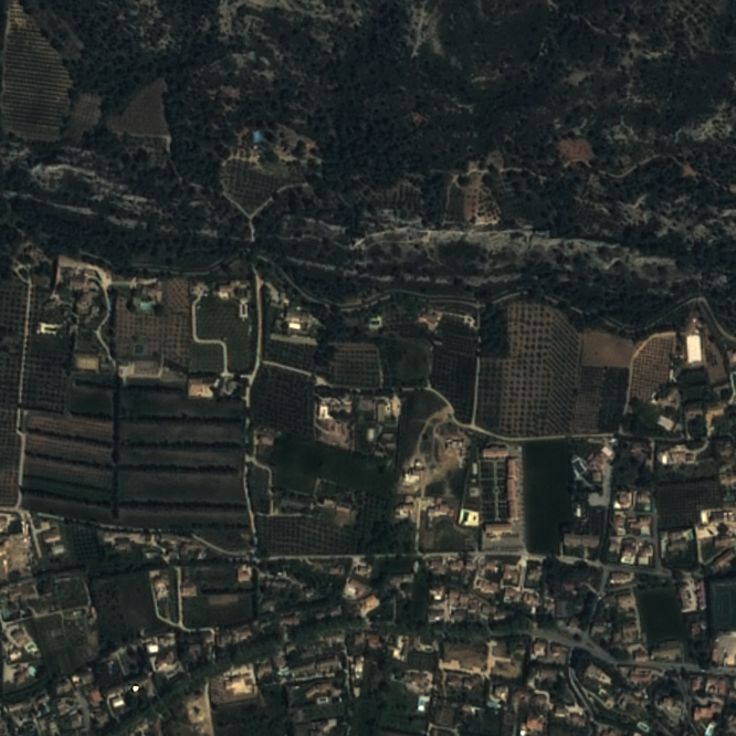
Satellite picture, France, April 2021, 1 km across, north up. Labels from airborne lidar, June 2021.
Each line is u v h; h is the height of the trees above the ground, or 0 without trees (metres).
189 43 9
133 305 10
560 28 7
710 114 0
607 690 7
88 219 8
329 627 22
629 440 8
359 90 11
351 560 8
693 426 9
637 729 8
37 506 0
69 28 0
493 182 11
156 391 13
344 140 14
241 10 7
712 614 19
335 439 0
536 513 0
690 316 7
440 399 0
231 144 18
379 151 15
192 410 0
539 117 0
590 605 16
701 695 9
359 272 8
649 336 11
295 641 19
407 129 7
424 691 7
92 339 6
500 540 0
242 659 23
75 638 0
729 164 7
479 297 12
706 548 0
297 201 19
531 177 14
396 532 13
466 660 0
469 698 8
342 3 6
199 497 0
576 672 12
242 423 12
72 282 0
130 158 12
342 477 0
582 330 12
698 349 0
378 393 8
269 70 0
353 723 13
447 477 0
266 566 8
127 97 18
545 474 0
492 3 0
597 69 0
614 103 0
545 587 7
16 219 15
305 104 9
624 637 5
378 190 17
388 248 0
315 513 9
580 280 8
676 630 0
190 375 8
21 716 9
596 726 11
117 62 10
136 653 15
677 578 13
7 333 13
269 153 16
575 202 15
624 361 0
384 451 7
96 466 9
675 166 9
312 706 8
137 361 0
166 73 14
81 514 0
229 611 0
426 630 18
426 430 0
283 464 0
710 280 6
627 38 10
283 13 10
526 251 0
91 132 7
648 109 6
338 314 19
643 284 0
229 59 0
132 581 0
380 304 7
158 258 11
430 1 0
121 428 12
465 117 0
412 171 10
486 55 6
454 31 0
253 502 8
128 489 0
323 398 10
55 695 12
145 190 8
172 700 20
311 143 0
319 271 0
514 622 18
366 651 7
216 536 0
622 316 17
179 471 15
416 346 0
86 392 0
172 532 6
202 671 19
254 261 15
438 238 0
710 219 8
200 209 8
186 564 8
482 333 11
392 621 10
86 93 15
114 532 7
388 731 7
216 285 9
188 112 14
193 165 16
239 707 0
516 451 0
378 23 10
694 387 6
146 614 0
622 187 13
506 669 0
